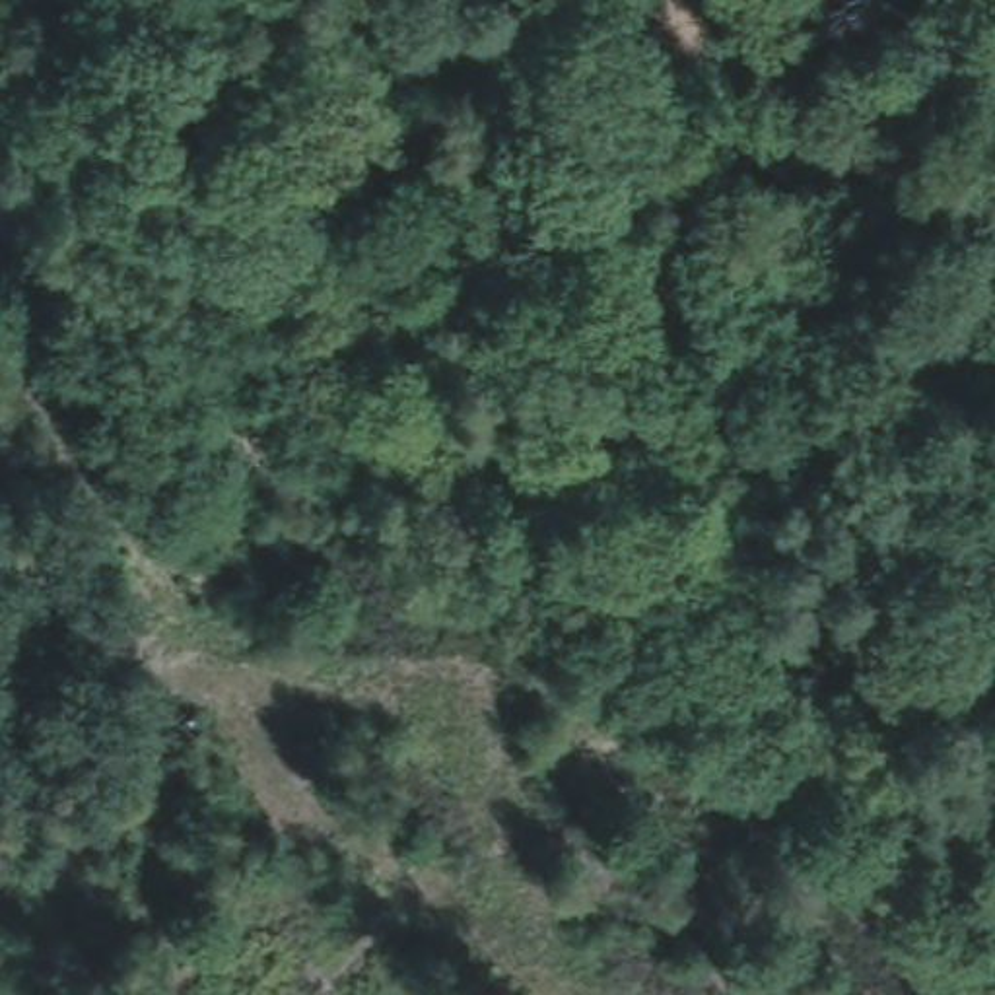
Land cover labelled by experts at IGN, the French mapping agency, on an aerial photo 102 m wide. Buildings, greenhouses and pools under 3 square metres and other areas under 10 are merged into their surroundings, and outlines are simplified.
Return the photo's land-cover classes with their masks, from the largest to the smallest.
<instances>
[{"label":"deciduous trees","instance_id":"1","mask_svg":"<svg viewBox=\"0 0 995 995\"><path fill-rule=\"evenodd\" d=\"M136 548H144L159 567L202 575L206 583L202 591L187 595V606H210L218 618L245 630L249 653L257 661L319 653L338 657L346 649V657H470L486 665L494 676L490 727L501 735V750L509 754V762H517L521 789L532 793L525 808H517L513 801H494L490 812L498 816L505 832V851L513 855L521 875L544 886L552 917H560L556 933L564 937V944L579 948L587 937H599L610 925L630 929L653 941V960L676 968L688 960H707L719 972L735 968V995H995V0H0V886L47 890L74 847L113 843L152 816L163 735L171 731L175 707L183 700L136 657V641L148 626L128 610L120 591L124 560ZM389 735L373 723H358L342 742V762L311 777V793L338 820V828L385 824L393 832V855H408L424 832V812L416 808V793L404 781H396L393 766L385 762ZM326 863L315 851L295 859L292 840H272L268 859L245 867L233 878L218 882V875L206 867L183 871L167 890L163 909L124 917V925L101 929L93 937L58 933L51 941L47 968L31 976L16 995H171V979H187L190 972H233L237 960H253L257 944L245 937L249 913L264 898L319 890Z\"/></svg>","mask_w":995,"mask_h":995},{"label":"herbaceous vegetation","instance_id":"2","mask_svg":"<svg viewBox=\"0 0 995 995\"><path fill-rule=\"evenodd\" d=\"M206 583L202 575L159 567L144 548H136L124 560L120 591L128 610L148 626L136 641V657L183 700L202 703L218 715V727L229 738L222 758L233 762L241 781L253 789L260 812L272 824V840H292L295 859L315 851L326 863H338L346 855V882H361L350 898L354 909L342 921L350 937V972H319V979H299V995H735V968L719 972L707 960H688L676 968L653 960V941L630 929L610 925L599 937H587L579 948L564 944V937L556 933L560 917H552L544 886L521 875L513 855L505 851V832L498 816L490 812L494 801H513L517 808H525L532 793L521 789L517 762H509V754L501 750V735L490 727L494 676L486 665L470 657H346V649L338 657L319 653L257 661L249 653L245 630L218 618L210 606H187V595L202 591ZM358 723H373L389 735L385 762L393 766L396 781H404L416 793V808L424 812V832L408 855H393V832L385 824L338 828V820L311 793V777L342 762V742Z\"/></svg>","mask_w":995,"mask_h":995},{"label":"brushwood","instance_id":"3","mask_svg":"<svg viewBox=\"0 0 995 995\"><path fill-rule=\"evenodd\" d=\"M229 738L218 727V715L202 703L183 700L175 707L171 731L163 735L152 816L113 843L74 847L47 890L0 886V995H16L31 976L47 968L51 941L58 933L93 937L101 929L124 925V917L163 909L167 890L183 871L206 867L218 875V882L233 878L245 867L268 859L272 840V824L260 812L253 789L241 781L233 762L222 758ZM361 882H346V855L338 863H326L319 890L264 898L249 913L245 937L257 944L253 960H237L233 972H190L187 979H171V995H299V979H319V972H350V937L342 921L354 909L350 898Z\"/></svg>","mask_w":995,"mask_h":995}]
</instances>
